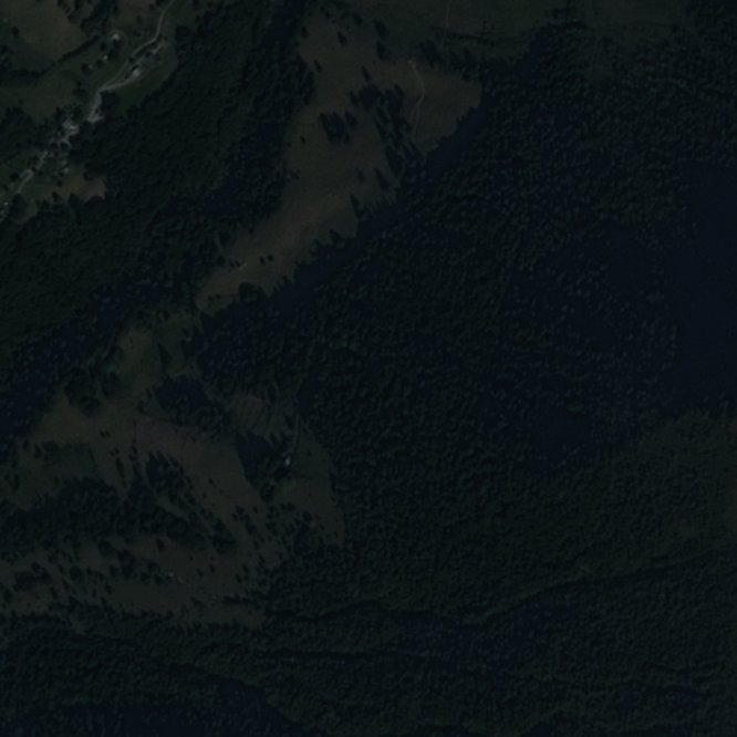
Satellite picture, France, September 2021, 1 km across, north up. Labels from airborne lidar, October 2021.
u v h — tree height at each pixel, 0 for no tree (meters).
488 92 9
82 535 16
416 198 18
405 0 0
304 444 0
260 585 8
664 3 0
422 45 0
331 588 14
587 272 17
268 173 26
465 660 6
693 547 9
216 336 22
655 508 11
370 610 9
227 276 0
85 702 19
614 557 10
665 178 11
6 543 18
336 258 0
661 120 10
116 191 28
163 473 8
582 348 18
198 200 11
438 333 18
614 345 15
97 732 26
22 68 0
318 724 22
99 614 12
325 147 0
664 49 8
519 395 11
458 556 22
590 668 6
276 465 18
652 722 8
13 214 17
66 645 12
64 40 0
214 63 19
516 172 20
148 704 18
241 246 0
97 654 15
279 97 21
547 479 14
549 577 9
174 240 17
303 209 0
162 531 18
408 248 25
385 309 18
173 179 31
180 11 0
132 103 0
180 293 13
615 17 0
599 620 11
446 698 11
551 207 19
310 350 20
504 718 8
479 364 18
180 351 0
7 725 20
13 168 9
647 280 7
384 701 15
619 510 7
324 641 9
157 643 13
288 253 0
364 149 0
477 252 13
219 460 0
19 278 22
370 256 13
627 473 10
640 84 6
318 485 0
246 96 16
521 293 16
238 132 17
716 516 8
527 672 10
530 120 7
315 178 0
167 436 0
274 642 10
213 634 15
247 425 0
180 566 0
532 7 0
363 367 20
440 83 0
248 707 10
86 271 25
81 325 18
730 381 8
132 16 0
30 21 0
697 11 9
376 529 16
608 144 8
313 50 0
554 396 21
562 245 9
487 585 10
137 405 0
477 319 13
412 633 8
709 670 12
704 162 8
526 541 21
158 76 0
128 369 0
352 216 0
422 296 17
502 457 19
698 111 13
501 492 21
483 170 14
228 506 0
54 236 17
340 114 0
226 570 0
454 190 21
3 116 0
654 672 8
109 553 17
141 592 0
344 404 17
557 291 11
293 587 11
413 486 18
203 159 21
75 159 20
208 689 11
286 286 0
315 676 11
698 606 14
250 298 18
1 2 0
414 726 13
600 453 9
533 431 15
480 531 16
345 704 16
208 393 0
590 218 17
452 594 9
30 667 19
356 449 14
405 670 12
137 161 20
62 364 32
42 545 10
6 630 12
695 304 6
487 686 10
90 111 0
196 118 20
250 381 20
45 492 0
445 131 0
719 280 10
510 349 18
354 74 0
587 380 10
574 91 9
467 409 22
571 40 11
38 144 10
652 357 7
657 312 8
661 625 8
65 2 12
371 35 0
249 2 13
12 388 11
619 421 9
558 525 16
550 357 11
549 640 6
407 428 23
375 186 0
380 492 18
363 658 13
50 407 22
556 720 12
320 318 24
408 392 17
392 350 21
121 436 0
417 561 17
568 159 8
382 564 17
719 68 7
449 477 20
